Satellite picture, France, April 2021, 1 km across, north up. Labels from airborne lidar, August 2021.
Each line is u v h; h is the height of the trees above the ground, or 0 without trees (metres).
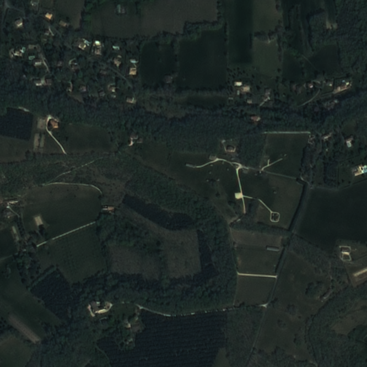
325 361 19
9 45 6
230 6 0
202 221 18
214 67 0
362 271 0
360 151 12
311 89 15
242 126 16
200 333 10
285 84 15
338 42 9
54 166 9
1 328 8
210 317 7
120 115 17
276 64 0
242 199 0
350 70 12
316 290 16
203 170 0
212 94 12
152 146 0
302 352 0
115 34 0
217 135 14
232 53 0
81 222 0
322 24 8
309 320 13
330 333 21
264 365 14
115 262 9
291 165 0
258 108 9
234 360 14
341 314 15
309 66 0
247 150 17
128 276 9
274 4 0
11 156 0
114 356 10
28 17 17
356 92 0
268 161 0
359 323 0
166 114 6
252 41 12
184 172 0
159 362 9
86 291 14
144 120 22
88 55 14
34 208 0
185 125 17
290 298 0
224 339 7
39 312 0
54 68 17
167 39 19
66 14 0
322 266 14
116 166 8
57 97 19
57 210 0
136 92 17
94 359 18
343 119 15
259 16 0
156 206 6
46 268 0
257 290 0
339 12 7
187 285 7
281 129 15
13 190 19
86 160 13
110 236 14
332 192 0
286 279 0
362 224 0
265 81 0
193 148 15
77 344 24
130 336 13
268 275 0
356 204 0
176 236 10
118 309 10
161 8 0
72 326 21
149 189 10
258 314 15
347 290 14
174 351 9
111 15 0
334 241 0
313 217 0
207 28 12
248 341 13
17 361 0
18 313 0
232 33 0
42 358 11
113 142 14
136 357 10
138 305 18
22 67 17
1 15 7
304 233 0
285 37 20
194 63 0
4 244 0
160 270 15
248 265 0
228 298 15
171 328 11
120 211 14
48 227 0
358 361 7
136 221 13
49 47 9
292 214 0
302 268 0
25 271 14
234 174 0
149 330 10
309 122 23
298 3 0
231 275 18
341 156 13
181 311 18
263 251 0
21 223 12
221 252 16
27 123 11
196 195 17
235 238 0
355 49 19
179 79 0
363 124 15
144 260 12
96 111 19
